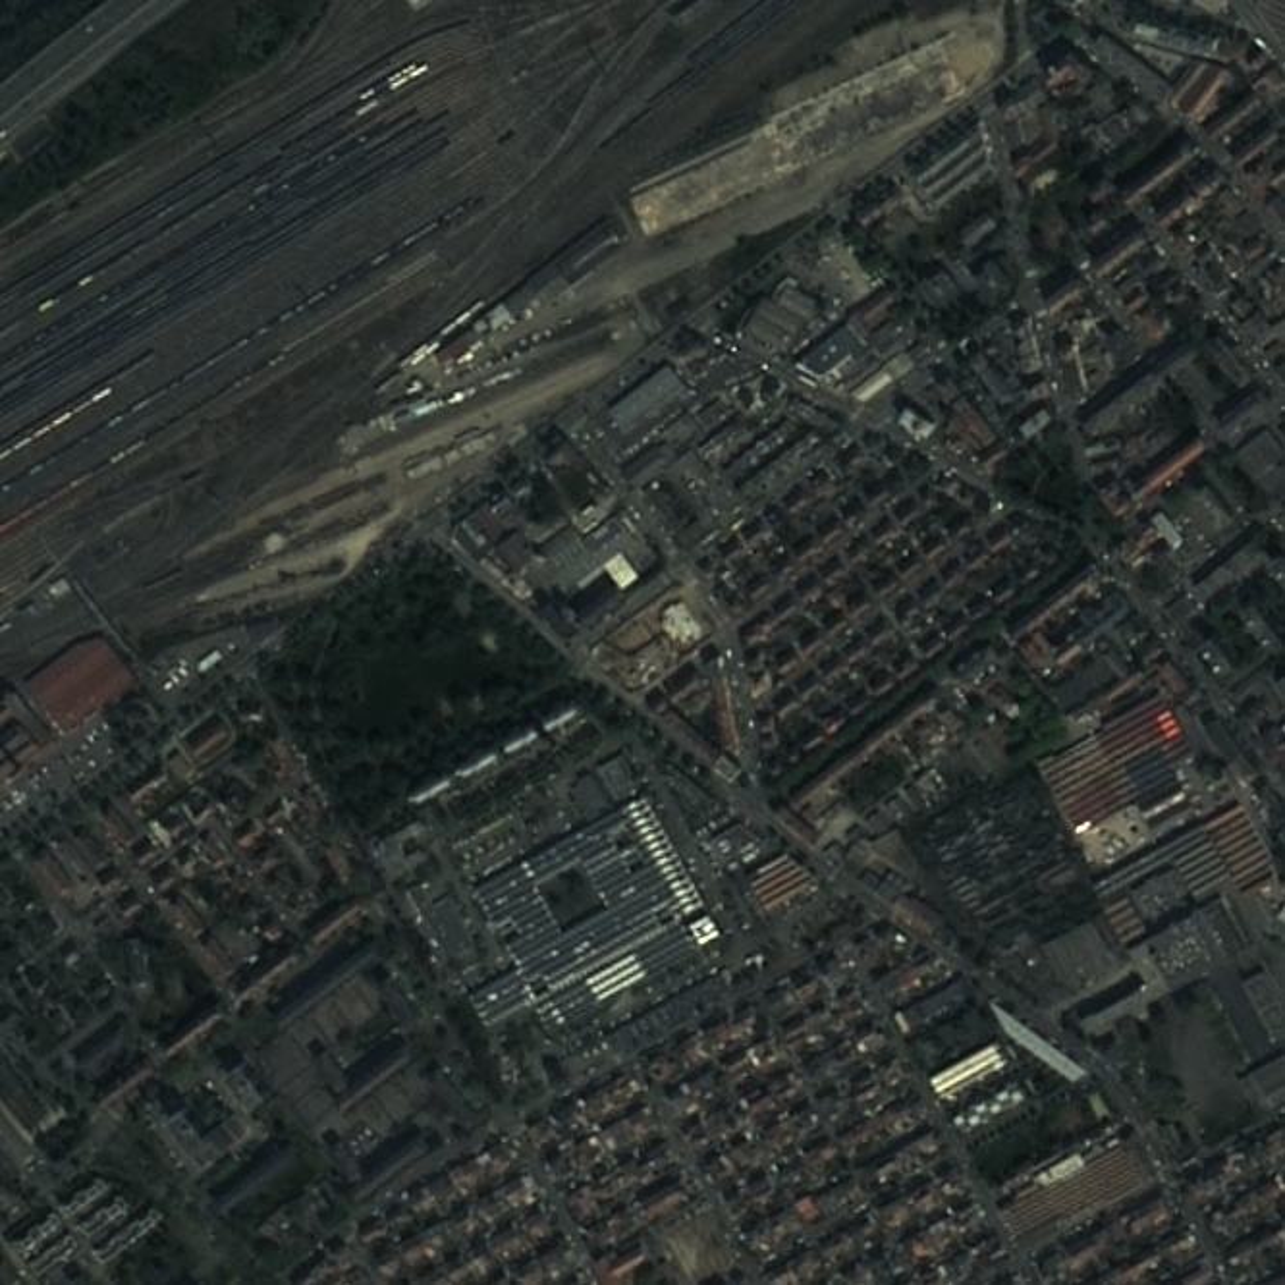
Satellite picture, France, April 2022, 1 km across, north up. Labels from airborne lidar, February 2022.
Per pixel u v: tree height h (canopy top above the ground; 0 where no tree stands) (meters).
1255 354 0
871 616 0
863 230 13
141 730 12
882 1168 0
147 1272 0
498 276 0
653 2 0
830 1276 0
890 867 0
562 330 0
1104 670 0
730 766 0
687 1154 0
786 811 0
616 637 0
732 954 0
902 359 0
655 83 0
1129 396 0
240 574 0
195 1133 0
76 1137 11
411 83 0
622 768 0
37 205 0
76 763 0
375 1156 0
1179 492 12
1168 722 0
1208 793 0
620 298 0
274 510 0
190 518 0
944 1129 0
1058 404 0
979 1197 0
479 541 0
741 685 0
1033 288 0
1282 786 0
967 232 0
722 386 0
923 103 0
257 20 8
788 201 0
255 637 0
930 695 0
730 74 0
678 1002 0
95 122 11
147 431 0
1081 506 9
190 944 0
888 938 0
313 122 0
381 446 0
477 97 0
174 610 0
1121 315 0
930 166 0
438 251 0
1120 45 0
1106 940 0
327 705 18
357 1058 0
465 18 0
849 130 0
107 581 0
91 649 0
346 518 0
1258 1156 0
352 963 0
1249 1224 0
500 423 0
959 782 0
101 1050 0
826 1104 0
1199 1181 0
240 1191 0
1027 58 0
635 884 0
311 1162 0
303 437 0
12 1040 0
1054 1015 0
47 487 0
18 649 0
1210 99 0
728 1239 9
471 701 13
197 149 0
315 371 0
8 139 0
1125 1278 0
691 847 0
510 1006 0
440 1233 0
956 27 0
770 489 0
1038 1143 0
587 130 0
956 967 0
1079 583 0
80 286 0
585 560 0
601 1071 0
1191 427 0
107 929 0
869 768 6
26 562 0
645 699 0
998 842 0
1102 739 0
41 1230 0
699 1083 0
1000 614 11
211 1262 0
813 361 0
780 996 0
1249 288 0
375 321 0
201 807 0
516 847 0
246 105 0
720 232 0
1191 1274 0
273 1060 0
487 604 12
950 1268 0
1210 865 0
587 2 0
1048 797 11
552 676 18
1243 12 0
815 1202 0
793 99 0
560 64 0
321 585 0
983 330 0
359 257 0
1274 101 0
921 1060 8
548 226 0
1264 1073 0
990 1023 9
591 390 0
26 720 0
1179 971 0
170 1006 7
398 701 0
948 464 0
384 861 0
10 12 26
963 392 0
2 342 0
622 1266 0
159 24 0
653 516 0
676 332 0
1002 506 0
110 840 0
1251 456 0
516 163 0
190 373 0
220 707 13
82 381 0
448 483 0
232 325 0
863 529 0
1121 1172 0
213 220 0
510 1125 0
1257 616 0
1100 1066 0
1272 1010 0
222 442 0
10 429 0
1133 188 0
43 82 0
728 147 0
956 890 0
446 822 7
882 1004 0
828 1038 0
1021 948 0
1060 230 0
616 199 0
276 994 9
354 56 0
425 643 14
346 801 10
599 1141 0
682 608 0
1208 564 0
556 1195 0
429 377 0
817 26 0
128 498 0
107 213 0
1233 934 0
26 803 0
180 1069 20
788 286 0
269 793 20
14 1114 0
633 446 0
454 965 8
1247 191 0
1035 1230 0
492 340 0
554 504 22
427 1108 13
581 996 0
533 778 10
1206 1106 0
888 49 0
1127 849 0
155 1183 16
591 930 0
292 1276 0
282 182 0
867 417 0
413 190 0
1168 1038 0
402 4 0
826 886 0
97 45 0
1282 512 0
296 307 0
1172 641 0
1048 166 0
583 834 0
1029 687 13
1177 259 0
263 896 0
